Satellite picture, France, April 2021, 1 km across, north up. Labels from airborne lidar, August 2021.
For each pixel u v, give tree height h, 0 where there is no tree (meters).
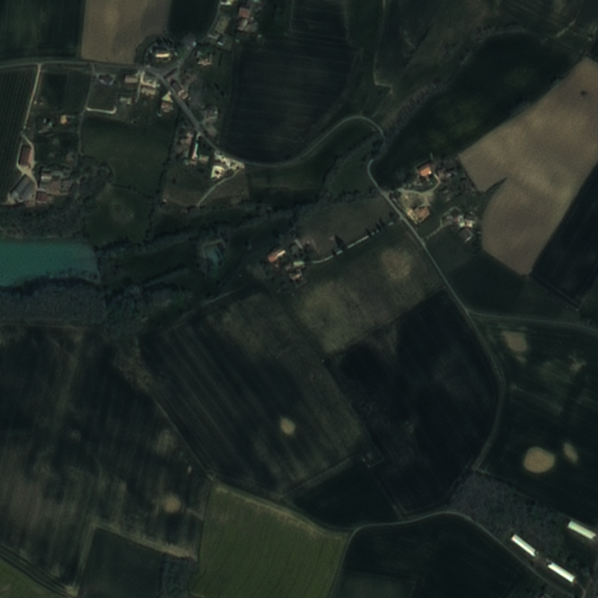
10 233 14
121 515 0
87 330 0
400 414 0
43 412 0
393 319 0
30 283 0
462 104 0
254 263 0
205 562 0
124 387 0
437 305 0
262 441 0
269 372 0
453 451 0
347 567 0
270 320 0
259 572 0
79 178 11
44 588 0
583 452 0
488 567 0
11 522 0
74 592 0
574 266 0
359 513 0
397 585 0
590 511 0
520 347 0
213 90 11
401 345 0
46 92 0
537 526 20
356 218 0
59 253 0
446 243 0
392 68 0
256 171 0
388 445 0
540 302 0
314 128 0
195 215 17
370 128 0
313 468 0
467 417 0
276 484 0
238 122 0
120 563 0
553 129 0
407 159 0
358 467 0
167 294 21
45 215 8
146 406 0
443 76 0
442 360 0
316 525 0
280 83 0
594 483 0
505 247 0
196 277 0
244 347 0
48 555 0
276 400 0
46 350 0
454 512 11
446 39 0
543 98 0
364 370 0
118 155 0
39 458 0
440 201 0
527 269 0
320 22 0
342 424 0
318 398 0
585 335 0
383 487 0
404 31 0
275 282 9
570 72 0
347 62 0
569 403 0
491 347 0
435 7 0
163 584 13
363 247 0
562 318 0
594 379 0
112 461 0
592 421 0
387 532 0
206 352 0
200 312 0
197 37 0
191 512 0
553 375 0
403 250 0
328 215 0
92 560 0
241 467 0
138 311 22
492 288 0
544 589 7
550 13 0
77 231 23
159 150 0
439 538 0
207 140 7
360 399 0
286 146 0
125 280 0
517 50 0
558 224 0
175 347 0
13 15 0
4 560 0
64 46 0
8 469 0
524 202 0
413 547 0
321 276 0
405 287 0
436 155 0
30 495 0
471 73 0
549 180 0
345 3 0
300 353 0
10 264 0
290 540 0
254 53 0
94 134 0
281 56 0
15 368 0
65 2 0
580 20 0
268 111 0
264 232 0
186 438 0
